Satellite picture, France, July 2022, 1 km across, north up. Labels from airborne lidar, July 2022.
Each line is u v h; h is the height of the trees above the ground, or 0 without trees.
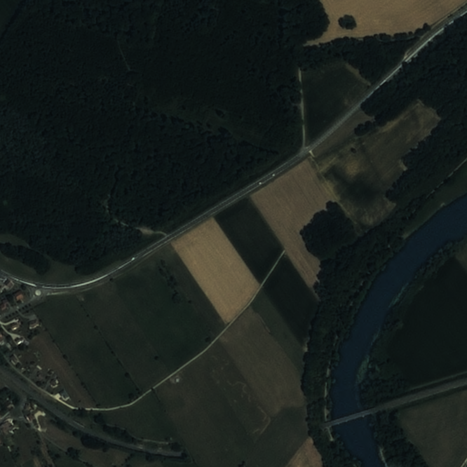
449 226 0
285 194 0
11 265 0
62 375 0
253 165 29
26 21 8
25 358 0
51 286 0
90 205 17
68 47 6
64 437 0
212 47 9
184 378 0
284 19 31
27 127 26
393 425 21
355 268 30
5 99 19
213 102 7
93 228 15
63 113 26
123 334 0
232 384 0
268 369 0
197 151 28
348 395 0
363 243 23
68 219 10
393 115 21
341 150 0
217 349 0
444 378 0
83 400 0
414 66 22
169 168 20
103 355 0
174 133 29
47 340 0
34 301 0
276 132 7
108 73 16
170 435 0
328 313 19
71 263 13
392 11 0
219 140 26
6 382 0
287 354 0
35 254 17
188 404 0
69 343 0
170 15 9
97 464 0
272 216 0
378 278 0
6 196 23
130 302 0
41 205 9
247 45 8
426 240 0
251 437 0
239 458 0
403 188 19
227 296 0
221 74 8
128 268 0
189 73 9
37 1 24
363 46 22
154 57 6
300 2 21
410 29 0
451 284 0
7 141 22
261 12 8
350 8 0
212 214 0
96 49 7
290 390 0
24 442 0
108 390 0
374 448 0
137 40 25
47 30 8
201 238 0
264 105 10
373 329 0
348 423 0
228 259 0
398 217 27
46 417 0
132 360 0
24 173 21
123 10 28
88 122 26
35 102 17
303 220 0
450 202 0
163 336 0
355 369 0
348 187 0
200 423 0
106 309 0
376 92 12
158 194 24
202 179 27
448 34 19
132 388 0
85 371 0
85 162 22
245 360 0
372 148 0
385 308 0
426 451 0
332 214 19
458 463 0
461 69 24
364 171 0
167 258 0
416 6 0
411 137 0
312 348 18
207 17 11
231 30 8
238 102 7
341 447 6
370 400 13
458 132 24
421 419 0
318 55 24
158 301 0
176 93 8
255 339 0
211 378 0
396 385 7
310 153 0
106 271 0
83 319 0
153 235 0
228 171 28
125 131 20
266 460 0
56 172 23
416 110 0
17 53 16
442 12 0
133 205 20
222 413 0
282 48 12
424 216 0
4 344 0
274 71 9
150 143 30
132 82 15
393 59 16
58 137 28
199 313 0
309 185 0
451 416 0
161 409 0
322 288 20
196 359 0
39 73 15
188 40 11
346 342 0
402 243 22
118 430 12
